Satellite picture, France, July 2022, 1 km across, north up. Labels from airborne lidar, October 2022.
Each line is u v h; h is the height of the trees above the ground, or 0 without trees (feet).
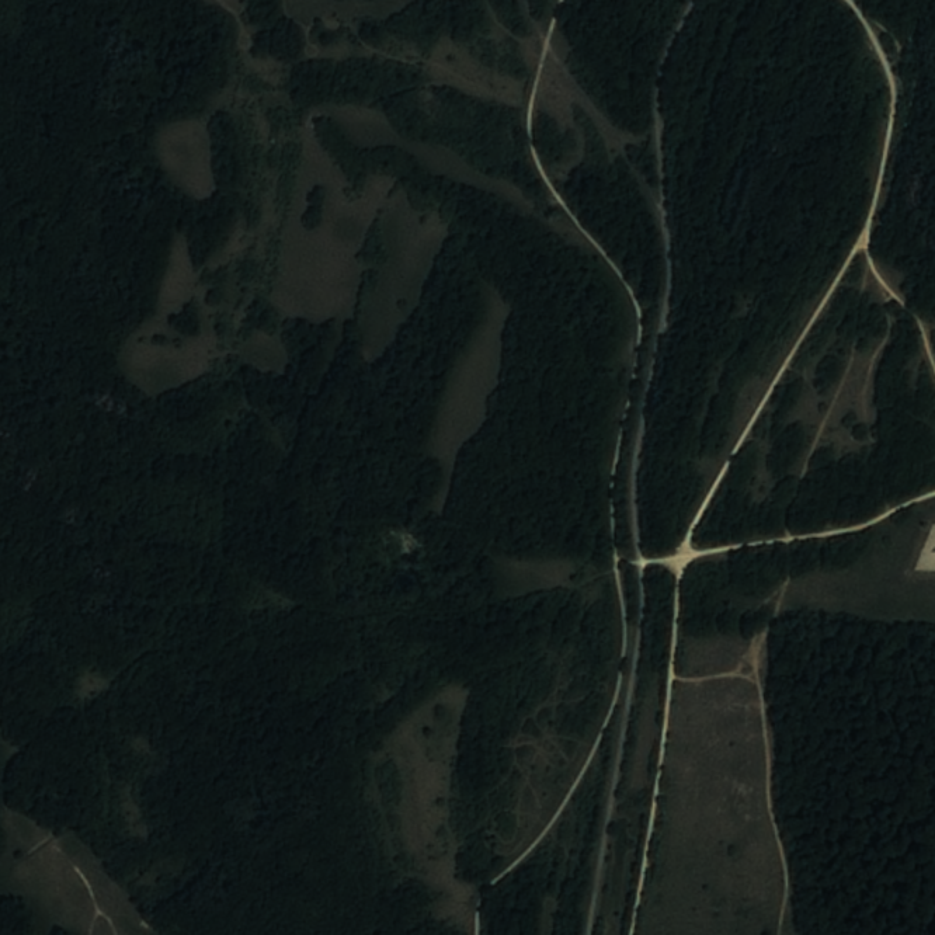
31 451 66
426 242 0
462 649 40
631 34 20
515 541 37
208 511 24
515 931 81
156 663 48
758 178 84
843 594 0
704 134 32
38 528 38
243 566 39
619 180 31
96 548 61
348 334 30
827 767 65
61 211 37
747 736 0
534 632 51
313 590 50
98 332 53
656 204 0
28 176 68
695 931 0
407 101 22
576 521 21
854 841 94
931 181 110
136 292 54
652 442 42
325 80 45
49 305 65
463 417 0
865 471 56
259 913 65
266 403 43
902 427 42
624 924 29
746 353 53
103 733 27
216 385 35
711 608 22
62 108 83
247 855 68
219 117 27
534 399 35
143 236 69
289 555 41
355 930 66
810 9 47
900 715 92
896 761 101
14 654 39
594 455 53
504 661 25
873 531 25
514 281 64
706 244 27
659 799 24
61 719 48
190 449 29
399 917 43
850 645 68
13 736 35
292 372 47
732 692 0
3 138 62
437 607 38
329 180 0
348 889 60
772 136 66
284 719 68
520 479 31
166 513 27
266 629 35
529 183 31
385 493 55
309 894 69
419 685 39
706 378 21
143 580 42
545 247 29
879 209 0
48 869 0
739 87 62
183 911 68
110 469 67
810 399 0
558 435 59
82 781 40
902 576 0
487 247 52
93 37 58
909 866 102
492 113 40
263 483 56
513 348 40
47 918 0
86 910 0
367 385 73
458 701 0
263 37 45
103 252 51
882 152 0
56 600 49
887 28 29
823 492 32
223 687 43
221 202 44
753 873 0
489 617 52
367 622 25
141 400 34
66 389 59
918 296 51
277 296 0
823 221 55
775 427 24
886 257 43
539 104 0
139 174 31
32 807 20
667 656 32
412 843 0
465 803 21
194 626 66
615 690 0
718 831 0
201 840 53
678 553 0
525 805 0
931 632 54
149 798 41
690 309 60
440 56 0
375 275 27
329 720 63
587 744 0
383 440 60
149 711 58
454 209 34
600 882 0
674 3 33
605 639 53
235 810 84
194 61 52
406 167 23
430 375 31
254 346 0
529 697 23
